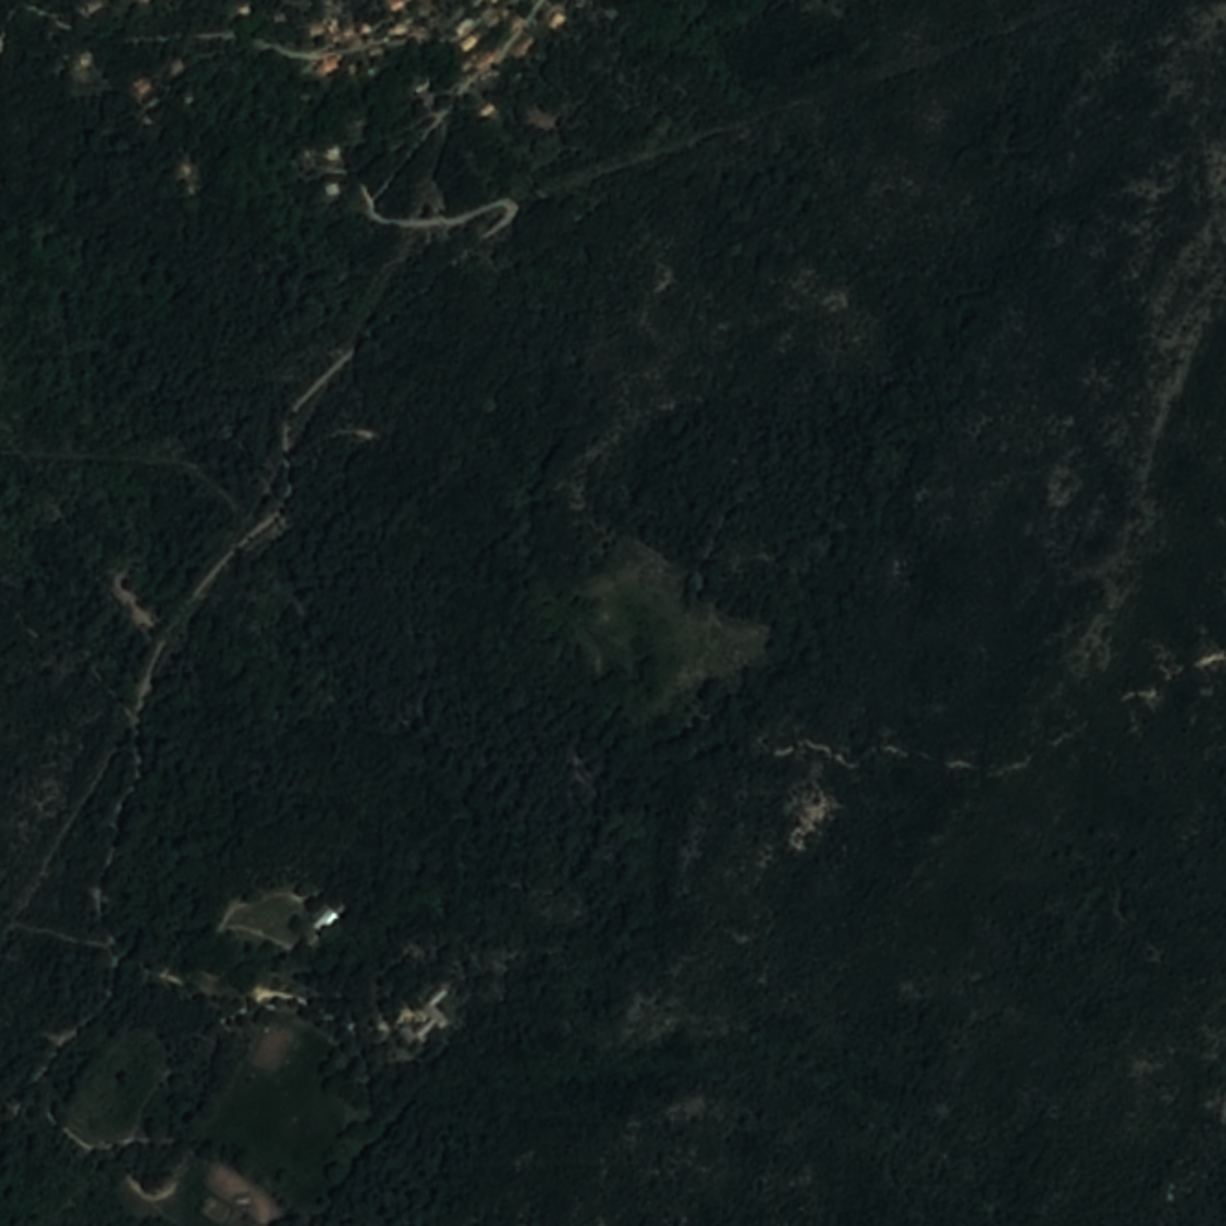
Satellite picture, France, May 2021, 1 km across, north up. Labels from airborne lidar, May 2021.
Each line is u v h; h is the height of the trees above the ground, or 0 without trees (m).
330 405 6
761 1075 10
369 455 13
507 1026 11
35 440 9
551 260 10
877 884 7
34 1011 15
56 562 16
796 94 6
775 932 7
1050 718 5
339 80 8
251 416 18
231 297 11
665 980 7
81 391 14
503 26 5
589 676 12
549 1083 23
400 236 9
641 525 7
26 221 14
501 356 14
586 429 9
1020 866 7
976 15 7
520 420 11
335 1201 13
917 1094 12
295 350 8
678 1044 14
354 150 7
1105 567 0
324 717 11
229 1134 0
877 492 17
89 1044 11
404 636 22
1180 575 5
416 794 15
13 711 7
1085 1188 9
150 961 19
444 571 14
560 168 9
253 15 11
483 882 17
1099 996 8
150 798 10
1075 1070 8
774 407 8
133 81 11
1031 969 6
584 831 17
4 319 10
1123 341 6
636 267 8
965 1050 8
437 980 8
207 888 16
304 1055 0
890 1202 15
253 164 15
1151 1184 8
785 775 7
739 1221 6
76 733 7
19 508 13
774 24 8
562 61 10
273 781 22
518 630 18
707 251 8
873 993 7
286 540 14
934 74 6
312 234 17
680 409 7
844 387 6
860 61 8
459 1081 22
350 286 9
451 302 16
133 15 7
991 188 8
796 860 8
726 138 6
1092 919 9
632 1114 9
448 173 12
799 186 16
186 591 12
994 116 10
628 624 0
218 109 11
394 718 14
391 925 17
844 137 8
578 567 17
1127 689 8
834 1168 6
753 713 12
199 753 20
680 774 16
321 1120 0
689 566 10
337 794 11
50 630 11
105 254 16
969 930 6
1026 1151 15
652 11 21
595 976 11
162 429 9
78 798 8
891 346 10
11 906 9
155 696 10
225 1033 9
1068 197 7
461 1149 8
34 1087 12
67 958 22
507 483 14
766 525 6
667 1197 8
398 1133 17
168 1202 0
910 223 8
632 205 8
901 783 8
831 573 13
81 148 13
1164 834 6
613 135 9
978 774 7
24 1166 8
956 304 7
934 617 6
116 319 17
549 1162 6
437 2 7
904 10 6
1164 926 7
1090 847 8
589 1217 5
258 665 17
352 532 18
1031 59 7
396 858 23
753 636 0
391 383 12
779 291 9
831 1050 7
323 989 19
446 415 11
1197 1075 7
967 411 7
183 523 11
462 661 15
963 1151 8
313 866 8
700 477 11
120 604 8
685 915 7
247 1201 0
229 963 19
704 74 17
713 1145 5
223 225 14
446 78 17
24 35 15
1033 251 7
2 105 8
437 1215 9
